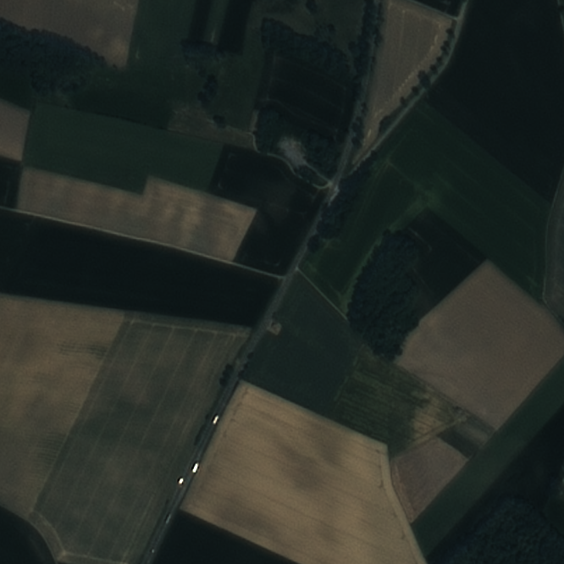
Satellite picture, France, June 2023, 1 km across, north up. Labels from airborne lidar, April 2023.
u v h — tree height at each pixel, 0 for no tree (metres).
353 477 0
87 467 0
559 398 0
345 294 0
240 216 0
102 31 0
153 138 0
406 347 0
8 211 0
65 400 0
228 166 0
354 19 0
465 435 0
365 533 0
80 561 0
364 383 0
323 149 10
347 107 0
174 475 0
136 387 0
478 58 0
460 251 0
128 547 0
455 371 0
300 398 0
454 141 0
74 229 0
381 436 0
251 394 0
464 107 0
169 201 0
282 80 0
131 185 0
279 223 0
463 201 0
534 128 0
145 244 0
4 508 0
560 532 17
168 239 0
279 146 0
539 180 0
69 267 0
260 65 0
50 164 0
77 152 0
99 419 0
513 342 0
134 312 0
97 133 0
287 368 0
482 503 0
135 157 0
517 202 0
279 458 0
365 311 21
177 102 0
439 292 0
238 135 0
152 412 0
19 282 0
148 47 0
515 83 0
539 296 0
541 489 0
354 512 0
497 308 0
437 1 0
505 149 0
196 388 0
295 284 0
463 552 25
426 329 0
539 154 0
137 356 0
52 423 0
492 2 0
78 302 0
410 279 17
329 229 25
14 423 0
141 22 0
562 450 0
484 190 0
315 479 0
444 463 0
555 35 0
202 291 0
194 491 0
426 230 0
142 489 0
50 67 32
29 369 0
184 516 0
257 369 0
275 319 12
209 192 0
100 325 0
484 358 0
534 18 0
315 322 0
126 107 0
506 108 0
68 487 0
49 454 0
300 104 0
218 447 0
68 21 0
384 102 0
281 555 0
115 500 0
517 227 0
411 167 0
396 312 22
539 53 0
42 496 0
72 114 0
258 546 0
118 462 0
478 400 0
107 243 0
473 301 0
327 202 0
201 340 0
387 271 24
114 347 0
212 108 0
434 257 0
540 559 22
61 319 0
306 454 0
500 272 0
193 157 0
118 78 0
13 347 0
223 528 0
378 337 21
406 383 0
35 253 0
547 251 0
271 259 0
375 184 0
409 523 0
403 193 0
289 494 0
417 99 0
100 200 0
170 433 0
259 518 0
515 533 23
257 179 0
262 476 0
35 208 0
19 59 30
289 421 0
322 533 0
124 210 0
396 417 0
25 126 0
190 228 0
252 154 0
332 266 0
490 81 0
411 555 0
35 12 0
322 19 0
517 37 0
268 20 11
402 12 0
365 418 0
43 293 0
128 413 0
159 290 0
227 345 0
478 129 0
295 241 0
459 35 0
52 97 0
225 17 0
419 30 0
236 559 0
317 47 29
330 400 0
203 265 0
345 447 0
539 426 0
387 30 0
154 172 0
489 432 0
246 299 0
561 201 0
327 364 0
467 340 0
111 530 0
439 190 0
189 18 0
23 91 0
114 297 0
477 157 0
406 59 0
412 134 0
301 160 0
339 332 0
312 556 0
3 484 0
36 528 0
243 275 0
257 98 0
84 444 0
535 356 0
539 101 0
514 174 0
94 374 0
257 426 0
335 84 0
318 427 0
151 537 0
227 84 0
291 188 0
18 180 0
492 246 0
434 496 0
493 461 0
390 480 0
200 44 14
